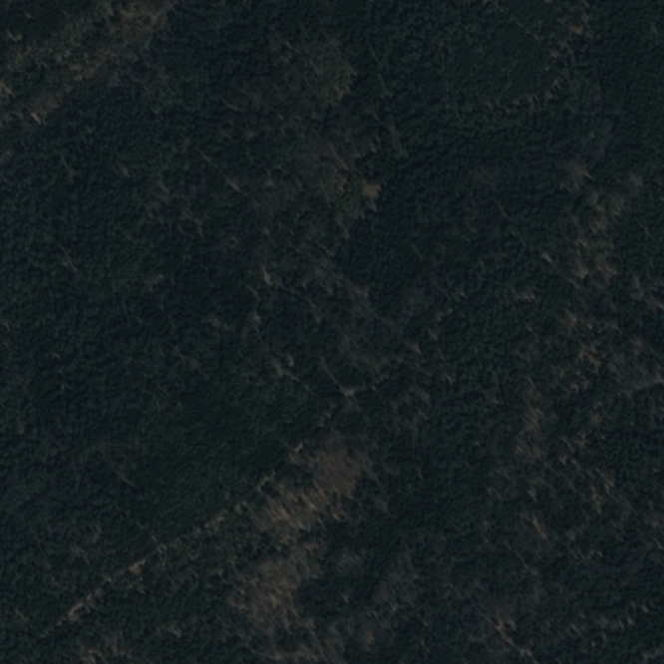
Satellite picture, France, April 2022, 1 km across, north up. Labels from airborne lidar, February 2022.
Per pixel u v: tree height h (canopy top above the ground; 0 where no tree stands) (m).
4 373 20
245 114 18
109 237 25
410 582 28
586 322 26
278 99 20
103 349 13
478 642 23
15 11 15
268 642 27
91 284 27
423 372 14
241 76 19
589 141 24
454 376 25
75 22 10
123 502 10
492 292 16
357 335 22
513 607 24
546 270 13
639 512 20
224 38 14
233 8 15
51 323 21
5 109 9
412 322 29
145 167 26
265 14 27
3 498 23
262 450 15
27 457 29
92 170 25
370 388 16
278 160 13
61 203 13
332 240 22
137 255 11
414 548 24
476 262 13
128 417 9
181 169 10
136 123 28
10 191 28
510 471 23
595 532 11
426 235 16
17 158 10
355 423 25
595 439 12
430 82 12
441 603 27
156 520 7
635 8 20
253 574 24
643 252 27
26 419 25
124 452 17
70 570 16
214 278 19
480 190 21
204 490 9
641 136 24
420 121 21
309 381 22
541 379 23
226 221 15
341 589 28
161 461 15
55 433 16
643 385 27
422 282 7
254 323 24
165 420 15
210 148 18
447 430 27
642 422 24
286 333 25
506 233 23
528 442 19
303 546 20
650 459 31
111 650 24
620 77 22
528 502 17
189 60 19
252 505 20
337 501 19
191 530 9
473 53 12
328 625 26
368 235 20
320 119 23
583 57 20
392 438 19
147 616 25
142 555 9
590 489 19
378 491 30
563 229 21
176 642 23
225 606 27
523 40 9
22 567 8
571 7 8
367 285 24
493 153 22
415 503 20
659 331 24
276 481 20
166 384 10
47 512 25
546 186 26
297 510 23
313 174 18
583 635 14
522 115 18
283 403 16
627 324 15
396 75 13
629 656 15
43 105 10
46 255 20
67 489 24
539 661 8
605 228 23
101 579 12
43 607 10
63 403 22
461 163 28
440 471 19
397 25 25
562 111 23
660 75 21
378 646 23
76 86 6
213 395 13
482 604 23
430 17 29
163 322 20
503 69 8
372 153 12
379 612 16
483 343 16
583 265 23
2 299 31
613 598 23
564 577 20
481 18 11
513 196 25
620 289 24
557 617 24
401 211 17
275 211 18
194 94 7
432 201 22
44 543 23
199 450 9
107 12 8
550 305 17
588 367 10
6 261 32
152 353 13
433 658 9
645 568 24
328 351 21
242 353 13
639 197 24
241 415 11
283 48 7
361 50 25
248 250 20
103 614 25
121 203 31
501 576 25
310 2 26
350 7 27
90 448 19
